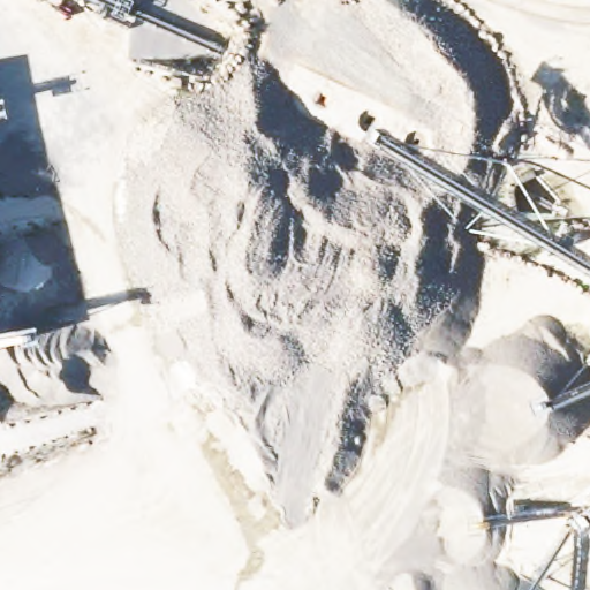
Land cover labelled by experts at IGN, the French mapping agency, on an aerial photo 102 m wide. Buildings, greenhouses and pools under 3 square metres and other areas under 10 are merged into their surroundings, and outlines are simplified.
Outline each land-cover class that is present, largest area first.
<instances>
[{"label":"pervious surface","instance_id":"1","mask_svg":"<svg viewBox=\"0 0 590 590\"><path fill-rule=\"evenodd\" d=\"M0 590H590V0H0Z\"/></svg>","mask_w":590,"mask_h":590}]
</instances>
